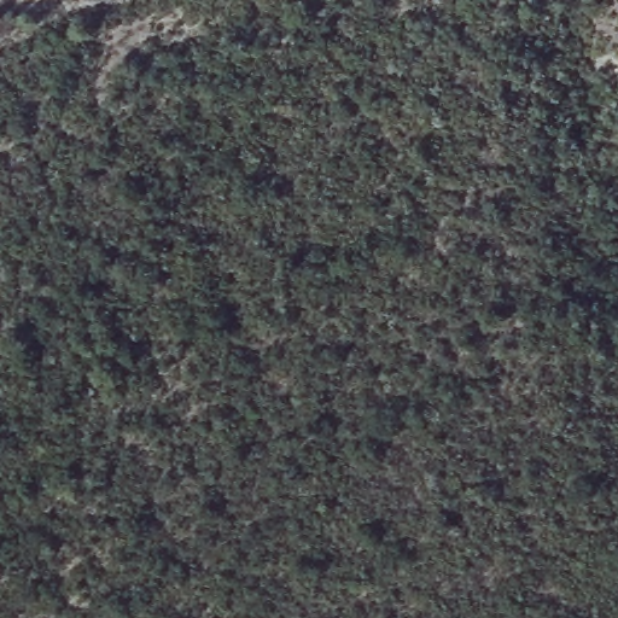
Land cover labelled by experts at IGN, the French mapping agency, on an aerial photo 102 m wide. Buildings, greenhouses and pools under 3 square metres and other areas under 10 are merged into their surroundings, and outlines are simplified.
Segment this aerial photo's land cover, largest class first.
<instances>
[{"label":"brushwood","instance_id":"1","mask_svg":"<svg viewBox=\"0 0 618 618\"><path fill-rule=\"evenodd\" d=\"M176 2L183 7L181 24H200L203 34L188 36L181 43H164L159 36H150L138 48H133L121 65H116L113 84L97 87L99 70L111 58V46H104L99 41V29L130 24L133 19H140L145 14L152 24H162V17L169 14V10ZM613 0H0V618H618V72L613 63L601 68L589 56V43L596 31L594 22L596 17H616V7L611 5Z\"/></svg>","mask_w":618,"mask_h":618},{"label":"bare soil","instance_id":"2","mask_svg":"<svg viewBox=\"0 0 618 618\"><path fill-rule=\"evenodd\" d=\"M611 5L616 7V17H596L594 22L596 31L589 43V56L601 68L613 63L618 72V0H613ZM183 7L176 2L169 10V14L162 17V24H152L145 14L140 19H133L130 24L99 29V41L104 46H111V58L99 70L97 87L113 84L116 65H121L133 48H138L150 36H159L164 43H181L188 36L203 34L200 24H181Z\"/></svg>","mask_w":618,"mask_h":618}]
</instances>
